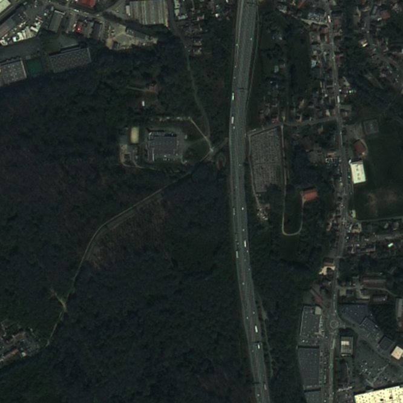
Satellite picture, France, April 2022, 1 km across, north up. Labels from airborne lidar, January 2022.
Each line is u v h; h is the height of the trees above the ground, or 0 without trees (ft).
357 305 0
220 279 76
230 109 0
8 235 82
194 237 79
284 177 0
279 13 29
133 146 0
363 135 0
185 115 79
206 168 92
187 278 78
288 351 61
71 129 80
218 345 67
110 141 74
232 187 0
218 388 70
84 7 0
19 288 87
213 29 50
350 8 57
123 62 79
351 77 23
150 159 0
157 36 46
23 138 97
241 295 0
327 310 0
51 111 81
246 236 0
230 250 55
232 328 77
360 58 23
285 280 94
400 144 0
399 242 0
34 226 84
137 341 77
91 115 81
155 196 0
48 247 79
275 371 48
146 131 0
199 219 80
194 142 0
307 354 0
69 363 75
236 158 0
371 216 0
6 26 0
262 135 0
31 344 0
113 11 0
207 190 96
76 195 92
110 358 72
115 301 92
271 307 0
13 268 87
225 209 69
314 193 0
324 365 0
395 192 0
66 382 74
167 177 82
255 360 0
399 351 0
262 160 0
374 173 0
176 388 66
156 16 0
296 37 0
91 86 88
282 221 0
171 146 0
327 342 0
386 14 0
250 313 0
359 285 0
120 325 65
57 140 79
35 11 0
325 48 0
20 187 96
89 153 82
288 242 0
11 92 94
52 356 74
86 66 45
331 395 0
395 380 0
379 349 0
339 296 0
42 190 102
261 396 0
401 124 0
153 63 64
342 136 0
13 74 0
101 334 69
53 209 80
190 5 0
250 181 51
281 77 48
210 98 0
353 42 47
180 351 71
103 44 44
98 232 0
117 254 78
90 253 0
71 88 93
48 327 80
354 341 0
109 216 66
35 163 82
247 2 0
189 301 92
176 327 74
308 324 0
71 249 86
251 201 57
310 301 0
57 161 89
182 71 98
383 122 0
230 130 0
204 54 0
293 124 0
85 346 73
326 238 26
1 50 0
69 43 0
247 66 0
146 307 84
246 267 0
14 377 66
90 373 68
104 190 103
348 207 0
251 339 0
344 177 0
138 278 78
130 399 79
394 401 0
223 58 62
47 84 91
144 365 77
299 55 0
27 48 0
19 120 89
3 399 79
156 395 58
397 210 0
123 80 78
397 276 54
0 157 95
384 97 48
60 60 0
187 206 88
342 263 50
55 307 79
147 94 0
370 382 0
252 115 0
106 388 81
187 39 0
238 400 77
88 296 79
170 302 82
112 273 76
